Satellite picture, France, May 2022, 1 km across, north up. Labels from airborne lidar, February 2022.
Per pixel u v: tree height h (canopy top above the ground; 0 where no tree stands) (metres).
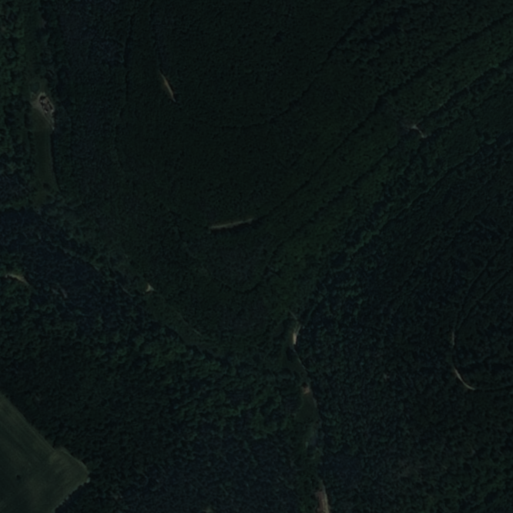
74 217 27
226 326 22
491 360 18
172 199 17
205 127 21
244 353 16
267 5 18
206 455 28
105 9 28
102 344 19
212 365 35
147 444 13
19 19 35
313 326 13
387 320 14
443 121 18
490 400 12
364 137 29
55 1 28
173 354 28
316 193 27
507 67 32
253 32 18
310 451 11
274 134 21
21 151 28
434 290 19
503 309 12
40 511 0
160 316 0
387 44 31
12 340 28
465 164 14
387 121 28
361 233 30
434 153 29
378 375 25
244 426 38
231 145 21
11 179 34
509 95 11
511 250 11
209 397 39
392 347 20
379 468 20
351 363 27
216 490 37
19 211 0
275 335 0
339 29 23
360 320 11
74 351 17
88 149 24
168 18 21
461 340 12
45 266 36
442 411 19
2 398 0
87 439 16
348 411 31
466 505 26
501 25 31
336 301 36
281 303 24
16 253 35
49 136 0
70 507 27
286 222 27
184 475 34
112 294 38
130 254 22
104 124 21
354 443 28
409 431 29
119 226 16
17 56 32
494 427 15
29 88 0
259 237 22
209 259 19
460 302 36
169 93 0
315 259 25
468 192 14
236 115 20
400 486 15
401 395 30
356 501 14
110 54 28
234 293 21
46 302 35
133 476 30
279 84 18
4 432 0
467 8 32
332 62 23
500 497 24
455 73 28
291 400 21
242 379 34
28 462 0
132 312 12
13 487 0
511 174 14
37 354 15
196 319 13
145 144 16
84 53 19
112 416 13
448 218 12
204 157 20
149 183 15
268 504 36
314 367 6
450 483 34
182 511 40
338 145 23
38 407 15
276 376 26
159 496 32
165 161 22
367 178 30
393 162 23
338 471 33
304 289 26
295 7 19
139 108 18
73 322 40
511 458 37
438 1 31
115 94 25
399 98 30
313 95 21
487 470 34
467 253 14
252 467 29
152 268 23
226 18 20
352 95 22
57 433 23
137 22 21
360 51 34
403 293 12
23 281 0
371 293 12
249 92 19
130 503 29
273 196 21
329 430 29
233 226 0
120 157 15
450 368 24
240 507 36
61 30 26
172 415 25
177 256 21
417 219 13
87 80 21
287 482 30
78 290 37
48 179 0
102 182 23
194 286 21
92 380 13
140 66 20
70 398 14
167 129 21
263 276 22
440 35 29
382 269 20
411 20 31
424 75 28
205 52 19
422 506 16
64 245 39
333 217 29
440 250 12
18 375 14
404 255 14
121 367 18
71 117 20
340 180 26
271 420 35
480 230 32
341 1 20
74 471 0
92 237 21
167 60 20
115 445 12
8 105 38
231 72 20
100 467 18
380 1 30
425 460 28
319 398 28
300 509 26
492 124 14
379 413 30
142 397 16
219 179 16
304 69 22
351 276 31
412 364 13
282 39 19
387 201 33
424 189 32
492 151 33
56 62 26
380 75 30
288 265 30
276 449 14
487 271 10
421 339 17
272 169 22
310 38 21
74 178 19
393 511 27
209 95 19
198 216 18
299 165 25
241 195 20
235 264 18
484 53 32
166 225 18
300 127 22
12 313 27
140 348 36
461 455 31
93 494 18
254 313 20
